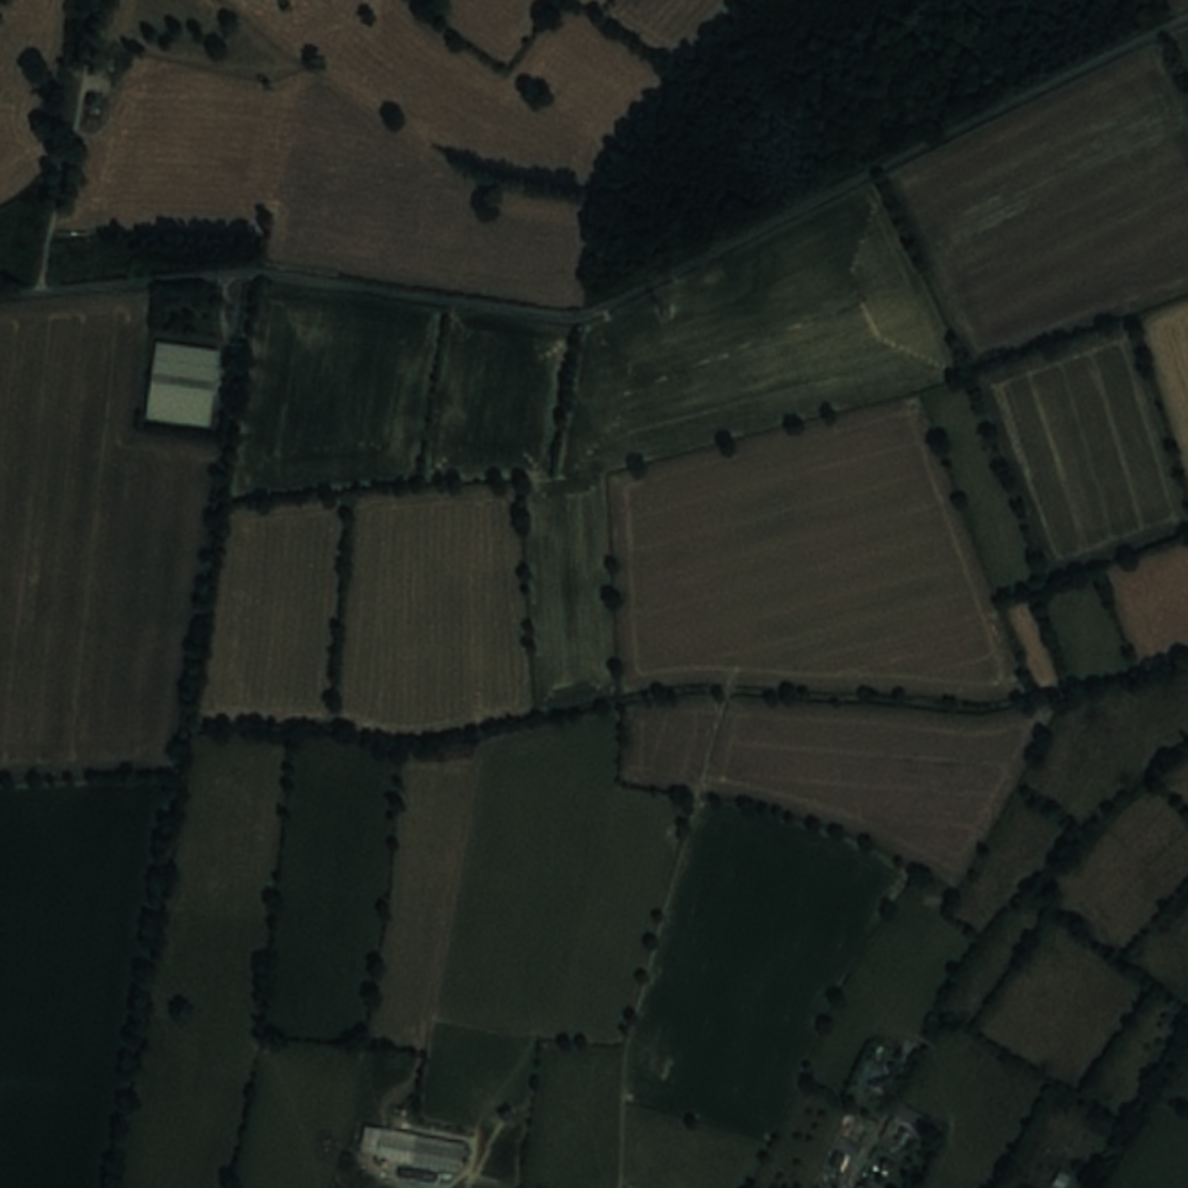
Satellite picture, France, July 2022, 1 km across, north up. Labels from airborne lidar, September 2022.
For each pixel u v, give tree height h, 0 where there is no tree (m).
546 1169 0
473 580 0
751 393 0
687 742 0
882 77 25
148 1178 0
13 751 0
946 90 15
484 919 0
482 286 0
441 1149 0
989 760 0
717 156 21
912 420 0
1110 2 16
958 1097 0
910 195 0
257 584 0
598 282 17
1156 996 11
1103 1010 0
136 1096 15
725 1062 0
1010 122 0
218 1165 0
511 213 0
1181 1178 0
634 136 24
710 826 0
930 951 0
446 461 0
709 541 0
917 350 0
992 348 0
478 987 0
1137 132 0
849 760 0
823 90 24
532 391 0
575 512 0
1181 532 13
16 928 0
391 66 0
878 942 0
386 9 0
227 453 20
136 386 0
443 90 0
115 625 0
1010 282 0
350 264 0
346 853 0
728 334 0
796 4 10
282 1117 0
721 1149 0
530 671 0
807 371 0
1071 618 0
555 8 16
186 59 0
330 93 0
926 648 0
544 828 0
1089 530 0
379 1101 0
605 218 27
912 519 0
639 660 0
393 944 0
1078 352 0
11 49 0
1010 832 0
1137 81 0
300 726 17
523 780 0
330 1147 0
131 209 0
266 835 0
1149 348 11
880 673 0
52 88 23
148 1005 18
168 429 8
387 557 0
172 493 0
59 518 0
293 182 0
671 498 0
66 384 0
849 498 0
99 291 0
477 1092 0
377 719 0
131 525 0
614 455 0
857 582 0
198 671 16
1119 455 0
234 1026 0
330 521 0
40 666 0
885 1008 0
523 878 0
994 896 0
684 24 0
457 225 0
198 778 0
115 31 0
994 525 0
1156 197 0
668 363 0
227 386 9
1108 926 0
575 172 0
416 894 0
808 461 0
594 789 0
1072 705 14
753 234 0
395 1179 0
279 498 11
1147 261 0
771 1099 0
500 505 0
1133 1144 10
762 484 0
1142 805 0
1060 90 0
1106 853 0
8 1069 0
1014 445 0
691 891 0
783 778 0
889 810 0
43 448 0
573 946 0
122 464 0
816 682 0
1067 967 0
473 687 0
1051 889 17
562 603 0
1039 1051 0
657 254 27
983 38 19
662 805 0
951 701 11
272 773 0
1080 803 0
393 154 0
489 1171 0
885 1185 7
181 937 0
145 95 0
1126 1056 0
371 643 0
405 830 0
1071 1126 0
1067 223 0
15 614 0
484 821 0
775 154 29
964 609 0
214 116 0
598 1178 0
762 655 0
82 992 0
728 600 0
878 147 16
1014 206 0
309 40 0
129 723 0
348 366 0
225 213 0
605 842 0
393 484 8
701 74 15
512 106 0
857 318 0
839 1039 0
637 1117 0
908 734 0
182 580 0
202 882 0
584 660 0
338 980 0
